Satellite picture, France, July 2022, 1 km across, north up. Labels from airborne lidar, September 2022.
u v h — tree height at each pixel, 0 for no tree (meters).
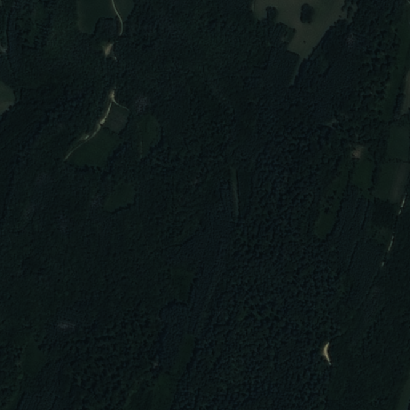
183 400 23
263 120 28
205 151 10
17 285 18
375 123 14
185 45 15
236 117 17
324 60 19
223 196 23
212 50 12
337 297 25
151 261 13
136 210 19
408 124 15
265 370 30
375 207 14
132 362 24
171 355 36
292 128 19
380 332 20
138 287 22
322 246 24
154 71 14
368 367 22
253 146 21
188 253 22
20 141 10
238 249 24
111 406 22
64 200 22
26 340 8
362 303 9
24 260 18
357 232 22
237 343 28
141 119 16
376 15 19
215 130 16
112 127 0
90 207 9
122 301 26
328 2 0
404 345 22
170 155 18
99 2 0
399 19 20
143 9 11
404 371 30
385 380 18
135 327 21
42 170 13
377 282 16
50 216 19
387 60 8
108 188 22
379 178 18
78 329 21
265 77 20
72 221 26
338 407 13
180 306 33
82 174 24
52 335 17
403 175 0
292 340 33
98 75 17
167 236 10
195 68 17
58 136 9
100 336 7
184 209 17
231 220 20
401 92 7
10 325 19
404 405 0
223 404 33
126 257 15
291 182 25
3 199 15
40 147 14
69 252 19
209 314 16
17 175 21
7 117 23
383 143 25
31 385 12
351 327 21
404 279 26
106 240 16
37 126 13
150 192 18
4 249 19
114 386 7
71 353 24
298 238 29
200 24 18
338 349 21
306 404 26
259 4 0
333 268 27
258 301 27
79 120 24
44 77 23
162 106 21
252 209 27
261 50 14
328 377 29
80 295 16
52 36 6
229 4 17
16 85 17
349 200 21
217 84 20
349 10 10
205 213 15
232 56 15
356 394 17
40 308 19
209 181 11
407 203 11
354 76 18
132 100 14
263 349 27
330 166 22
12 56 17
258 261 34
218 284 22
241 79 21
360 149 0
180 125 21
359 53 23
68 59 17
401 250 19
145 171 19
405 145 0
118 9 0
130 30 18
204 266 23
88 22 0
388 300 19
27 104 11
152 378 24
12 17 19
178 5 20
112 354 21
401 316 23
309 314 32
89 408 27
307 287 33
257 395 30
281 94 22
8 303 19
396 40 24
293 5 0
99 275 22
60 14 11
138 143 15
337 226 20
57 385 18
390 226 9
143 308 24
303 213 14
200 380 28
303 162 27
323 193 27
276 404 33
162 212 19
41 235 15
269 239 30
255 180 26
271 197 29
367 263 19
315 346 22
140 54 18
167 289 10
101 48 0
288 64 21
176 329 39
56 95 10
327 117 22
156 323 7
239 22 18
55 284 19
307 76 24
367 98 30
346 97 20
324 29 0
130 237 16
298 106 31
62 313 18
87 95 21
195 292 18
